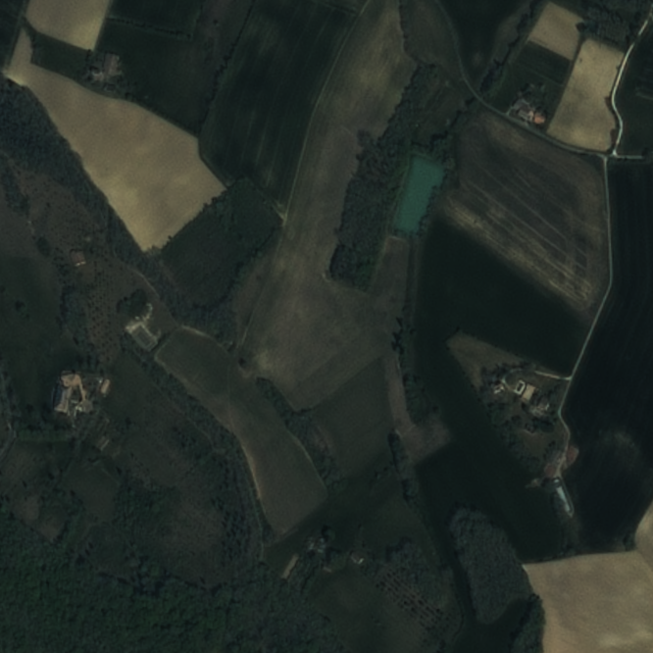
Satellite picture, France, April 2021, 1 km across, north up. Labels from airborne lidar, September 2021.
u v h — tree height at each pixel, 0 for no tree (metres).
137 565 17
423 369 9
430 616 6
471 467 6
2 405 19
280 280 0
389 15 0
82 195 17
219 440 20
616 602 0
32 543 18
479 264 0
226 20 0
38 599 24
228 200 7
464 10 0
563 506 14
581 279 0
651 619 0
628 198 0
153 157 0
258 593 23
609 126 0
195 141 0
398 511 0
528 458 10
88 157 0
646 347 0
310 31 0
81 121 0
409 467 20
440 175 0
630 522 0
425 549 25
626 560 0
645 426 0
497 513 0
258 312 0
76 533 6
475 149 0
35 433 16
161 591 20
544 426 16
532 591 12
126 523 13
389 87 12
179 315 17
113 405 0
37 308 0
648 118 0
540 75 0
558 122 0
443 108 0
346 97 0
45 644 18
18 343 0
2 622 21
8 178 11
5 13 0
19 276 0
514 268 0
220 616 23
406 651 14
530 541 0
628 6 25
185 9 0
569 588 0
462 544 22
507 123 0
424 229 9
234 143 0
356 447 25
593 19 26
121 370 0
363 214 20
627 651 0
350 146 11
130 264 16
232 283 15
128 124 0
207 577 6
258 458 0
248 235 6
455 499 0
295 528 5
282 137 0
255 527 20
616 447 0
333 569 19
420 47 0
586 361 0
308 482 14
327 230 19
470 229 0
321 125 0
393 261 0
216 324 20
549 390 11
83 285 0
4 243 0
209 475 5
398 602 20
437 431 7
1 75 13
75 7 0
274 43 0
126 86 10
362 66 0
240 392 0
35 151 18
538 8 16
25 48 0
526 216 0
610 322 0
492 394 12
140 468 7
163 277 14
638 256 0
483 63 0
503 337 0
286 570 6
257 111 0
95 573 19
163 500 9
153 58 0
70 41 0
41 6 0
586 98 0
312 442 19
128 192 0
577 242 0
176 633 22
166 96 0
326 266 12
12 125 16
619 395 0
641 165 0
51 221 0
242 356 0
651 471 0
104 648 24
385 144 18
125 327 0
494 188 0
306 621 25
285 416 16
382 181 18
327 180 19
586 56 0
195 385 0
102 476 0
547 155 0
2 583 24
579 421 0
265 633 23
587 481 0
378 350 0
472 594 19
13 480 0
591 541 0
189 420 10
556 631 0
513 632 0
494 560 22
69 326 21
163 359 0
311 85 0
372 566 22
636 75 0
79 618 22
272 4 0
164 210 0
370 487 17
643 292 0
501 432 11
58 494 13
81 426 13
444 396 25
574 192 0
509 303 0
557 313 0
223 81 16
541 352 0
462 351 12
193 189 0
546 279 0
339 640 15
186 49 0
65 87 0
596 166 7
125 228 16
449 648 15
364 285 14
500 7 0
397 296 0
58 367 0
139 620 26
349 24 0
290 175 0
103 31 0
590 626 0
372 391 9
